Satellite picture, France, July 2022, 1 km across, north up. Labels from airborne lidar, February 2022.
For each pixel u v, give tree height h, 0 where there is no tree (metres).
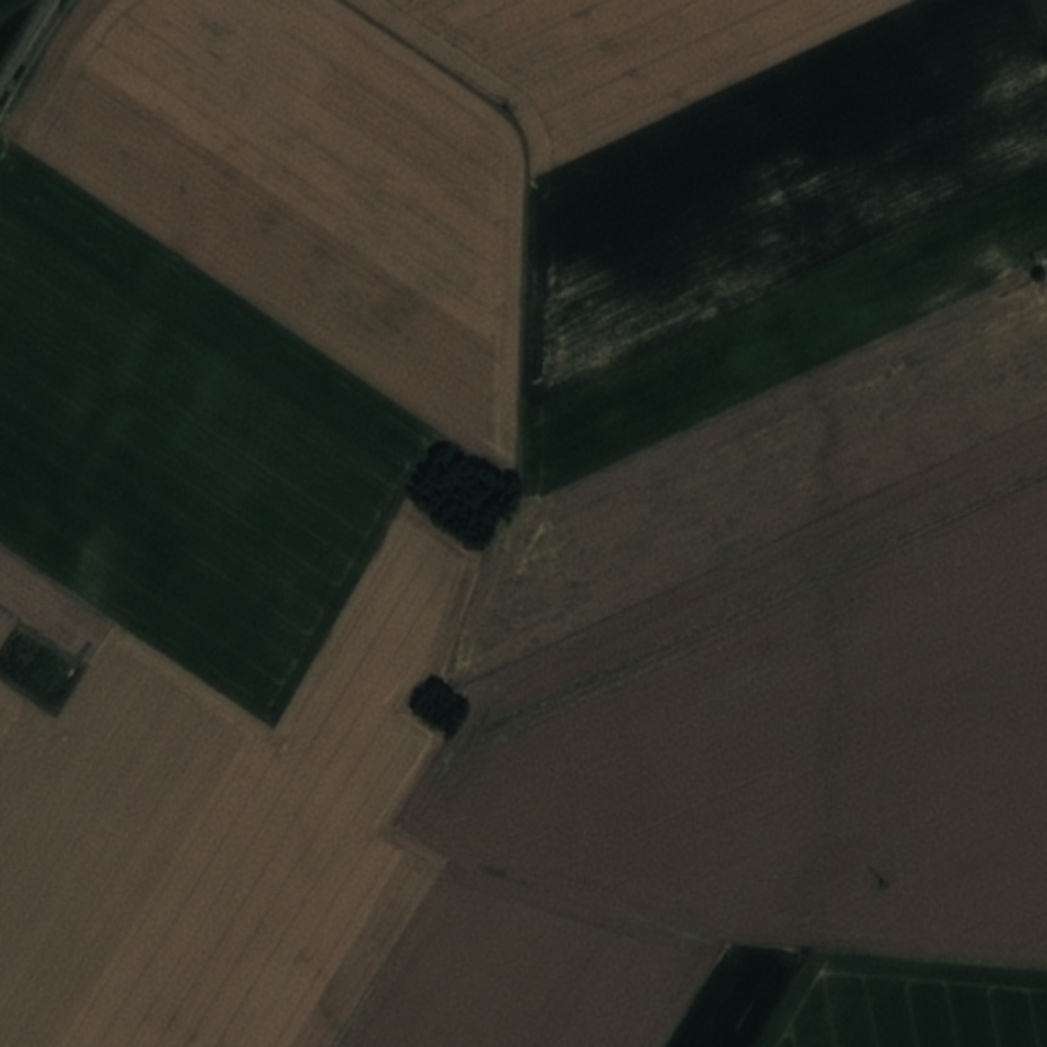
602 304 0
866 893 0
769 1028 0
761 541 0
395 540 0
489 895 0
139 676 0
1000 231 0
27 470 0
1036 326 0
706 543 0
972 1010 0
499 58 0
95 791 0
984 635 0
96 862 0
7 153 0
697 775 0
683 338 0
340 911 0
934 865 0
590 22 0
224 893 0
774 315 0
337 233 0
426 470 14
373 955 0
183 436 0
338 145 0
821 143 0
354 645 0
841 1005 0
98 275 0
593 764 0
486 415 0
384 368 0
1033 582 0
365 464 0
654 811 0
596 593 0
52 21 0
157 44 0
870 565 0
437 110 0
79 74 0
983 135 0
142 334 0
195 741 0
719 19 0
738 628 0
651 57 0
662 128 0
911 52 0
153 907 0
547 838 0
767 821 0
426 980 0
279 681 0
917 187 0
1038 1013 0
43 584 0
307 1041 0
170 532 0
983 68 0
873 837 0
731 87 0
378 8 0
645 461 0
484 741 0
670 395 0
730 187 0
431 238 0
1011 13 0
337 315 0
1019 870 0
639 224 0
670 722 0
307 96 0
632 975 0
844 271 0
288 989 0
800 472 0
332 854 0
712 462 0
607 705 0
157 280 0
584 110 0
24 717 0
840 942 0
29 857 0
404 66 0
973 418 0
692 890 0
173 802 0
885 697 0
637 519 0
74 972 0
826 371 0
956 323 0
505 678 0
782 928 0
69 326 0
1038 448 0
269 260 0
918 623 0
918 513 0
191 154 0
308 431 0
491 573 0
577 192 0
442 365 0
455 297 0
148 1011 0
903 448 0
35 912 0
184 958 0
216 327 0
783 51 0
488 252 0
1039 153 0
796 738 0
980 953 0
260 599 0
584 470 0
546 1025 0
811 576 0
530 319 0
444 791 0
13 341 0
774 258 0
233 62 0
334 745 0
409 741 0
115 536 0
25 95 0
